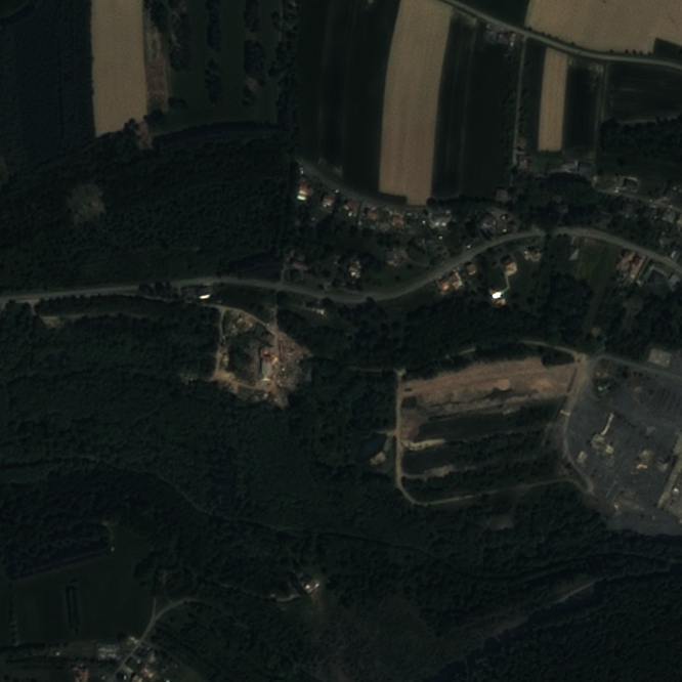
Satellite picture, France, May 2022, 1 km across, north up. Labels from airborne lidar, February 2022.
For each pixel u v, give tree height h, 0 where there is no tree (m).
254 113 0
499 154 0
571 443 0
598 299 0
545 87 0
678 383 0
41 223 10
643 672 26
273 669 14
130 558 0
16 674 0
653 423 0
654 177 0
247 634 10
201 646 9
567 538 24
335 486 19
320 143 0
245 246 7
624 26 0
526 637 24
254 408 16
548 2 0
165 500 18
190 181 11
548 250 8
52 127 19
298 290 0
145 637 0
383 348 21
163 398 15
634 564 25
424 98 0
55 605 0
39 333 7
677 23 0
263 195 10
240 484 16
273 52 0
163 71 20
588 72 0
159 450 20
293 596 0
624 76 0
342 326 0
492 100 0
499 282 0
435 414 0
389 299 0
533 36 0
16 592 0
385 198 0
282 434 20
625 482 0
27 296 0
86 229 9
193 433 15
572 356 0
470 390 0
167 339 8
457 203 14
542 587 22
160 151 24
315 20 0
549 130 0
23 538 15
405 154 0
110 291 0
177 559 7
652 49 0
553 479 0
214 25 16
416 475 0
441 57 0
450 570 14
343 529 14
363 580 16
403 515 13
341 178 0
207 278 0
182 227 11
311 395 11
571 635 28
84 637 0
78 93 19
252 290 0
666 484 0
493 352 30
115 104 0
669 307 14
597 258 0
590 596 6
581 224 24
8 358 15
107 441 23
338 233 16
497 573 16
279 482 21
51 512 11
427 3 0
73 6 19
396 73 0
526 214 17
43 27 19
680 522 0
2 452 26
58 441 21
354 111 0
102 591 0
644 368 0
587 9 0
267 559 23
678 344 13
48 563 26
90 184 13
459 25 0
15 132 22
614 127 22
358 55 0
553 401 0
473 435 0
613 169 0
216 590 15
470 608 9
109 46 0
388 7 0
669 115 0
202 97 0
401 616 0
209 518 11
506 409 0
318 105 0
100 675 0
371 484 22
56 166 14
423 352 23
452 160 0
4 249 24
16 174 18
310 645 6
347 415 17
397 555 7
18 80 19
